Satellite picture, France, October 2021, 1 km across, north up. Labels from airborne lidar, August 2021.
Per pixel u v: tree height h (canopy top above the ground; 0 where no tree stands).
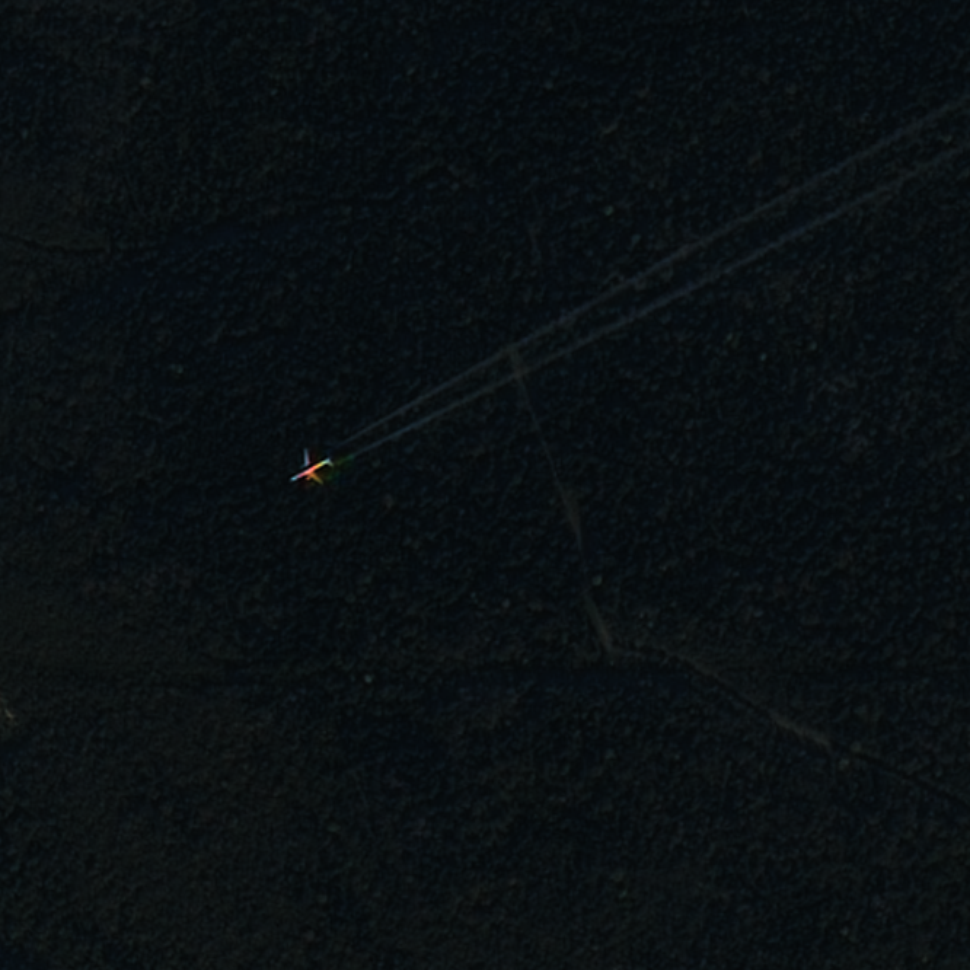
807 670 6
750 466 15
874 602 18
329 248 24
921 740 19
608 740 7
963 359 10
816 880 17
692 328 15
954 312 11
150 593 15
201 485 23
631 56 33
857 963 13
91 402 13
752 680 8
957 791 12
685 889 11
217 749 12
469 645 16
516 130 29
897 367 7
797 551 14
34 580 10
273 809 15
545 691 29
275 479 12
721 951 9
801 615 18
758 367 24
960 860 9
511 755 18
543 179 24
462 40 28
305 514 20
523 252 10
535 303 13
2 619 6
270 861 8
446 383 23
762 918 13
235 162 7
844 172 20
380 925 19
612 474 22
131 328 17
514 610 18
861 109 10
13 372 14
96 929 13
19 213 7
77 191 15
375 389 7
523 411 19
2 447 12
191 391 19
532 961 16
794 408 9
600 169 22
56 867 15
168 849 10
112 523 12
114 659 7
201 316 16
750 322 7
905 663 16
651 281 20
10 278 9
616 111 18
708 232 16
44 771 18
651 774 14
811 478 9
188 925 15
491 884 14
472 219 17
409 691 24
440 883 20
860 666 7
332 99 9
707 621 16
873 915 7
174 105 8
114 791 15
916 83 21
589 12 24
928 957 11
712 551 6
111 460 15
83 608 7
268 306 18
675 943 9
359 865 13
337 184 28
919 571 27
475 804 21
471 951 11
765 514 20
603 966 9
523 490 23
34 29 11
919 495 17
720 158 10
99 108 14
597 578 20
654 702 18
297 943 14
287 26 8
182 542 21
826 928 8
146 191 6
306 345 6
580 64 10
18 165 14
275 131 6
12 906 16
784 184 23
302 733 9
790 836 14
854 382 11
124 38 14
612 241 24
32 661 8
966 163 10
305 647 12
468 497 19
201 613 13
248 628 12
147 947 13
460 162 8
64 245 10
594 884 13
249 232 25
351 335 14
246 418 21
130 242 15
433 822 17
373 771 21
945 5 19
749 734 11
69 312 11
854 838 20
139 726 10
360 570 17
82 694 16
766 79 14
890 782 7
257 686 15
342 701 24
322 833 12
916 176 15
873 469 6
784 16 23
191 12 6
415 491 31
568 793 20
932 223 13
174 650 11
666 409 19
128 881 14
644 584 17
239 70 11
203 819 16
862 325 7
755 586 22
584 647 13
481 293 11
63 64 10
